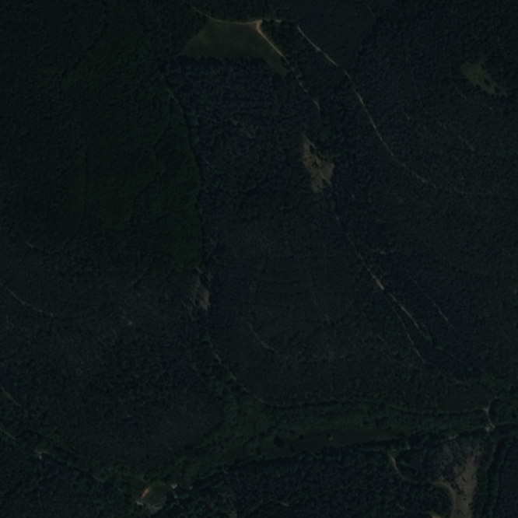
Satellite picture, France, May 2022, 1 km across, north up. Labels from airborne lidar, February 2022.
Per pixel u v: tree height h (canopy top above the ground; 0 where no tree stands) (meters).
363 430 0
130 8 19
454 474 28
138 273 23
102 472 8
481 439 22
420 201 26
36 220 19
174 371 27
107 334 24
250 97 25
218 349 22
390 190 26
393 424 15
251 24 0
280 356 20
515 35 18
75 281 27
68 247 22
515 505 26
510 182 23
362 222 33
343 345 21
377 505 28
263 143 26
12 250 20
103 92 19
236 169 30
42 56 26
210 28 0
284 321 20
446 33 13
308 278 20
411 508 33
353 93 25
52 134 18
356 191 26
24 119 20
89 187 18
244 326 20
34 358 28
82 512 27
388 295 19
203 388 25
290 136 24
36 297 23
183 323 34
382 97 25
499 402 17
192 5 11
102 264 27
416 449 20
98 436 26
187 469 6
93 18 21
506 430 28
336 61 15
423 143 22
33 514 26
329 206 26
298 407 22
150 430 23
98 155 22
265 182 31
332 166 0
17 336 24
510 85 13
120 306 24
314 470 27
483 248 18
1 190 21
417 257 23
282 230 24
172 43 15
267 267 19
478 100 22
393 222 25
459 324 21
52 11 20
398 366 22
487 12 25
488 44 23
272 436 16
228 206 25
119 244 25
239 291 22
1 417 25
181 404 26
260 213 26
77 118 21
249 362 22
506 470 27
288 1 16
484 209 24
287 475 33
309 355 19
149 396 23
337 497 30
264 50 0
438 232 25
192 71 40
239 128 9
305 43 13
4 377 24
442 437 20
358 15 11
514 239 16
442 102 24
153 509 0
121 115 20
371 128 25
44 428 15
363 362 23
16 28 17
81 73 23
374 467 13
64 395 23
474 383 24
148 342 24
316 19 14
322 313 22
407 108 23
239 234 21
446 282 19
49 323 19
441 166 22
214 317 23
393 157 24
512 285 27
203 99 38
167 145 22
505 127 20
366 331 24
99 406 22
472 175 23
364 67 25
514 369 28
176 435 23
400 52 22
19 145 13
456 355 28
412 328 22
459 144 24
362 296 24
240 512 24
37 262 19
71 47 19
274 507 16
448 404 24
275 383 25
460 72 17
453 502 0
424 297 26
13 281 19
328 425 7
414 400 22
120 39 23
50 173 23
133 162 20
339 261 22
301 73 10
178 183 18
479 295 22
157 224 19
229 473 16
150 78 15
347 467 19
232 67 29
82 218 18
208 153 26
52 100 18
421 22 19
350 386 28
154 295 28
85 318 27
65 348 23
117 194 21
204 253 37
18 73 17
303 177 20
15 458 20
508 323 23
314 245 19
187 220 17
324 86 14
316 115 21
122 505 24
